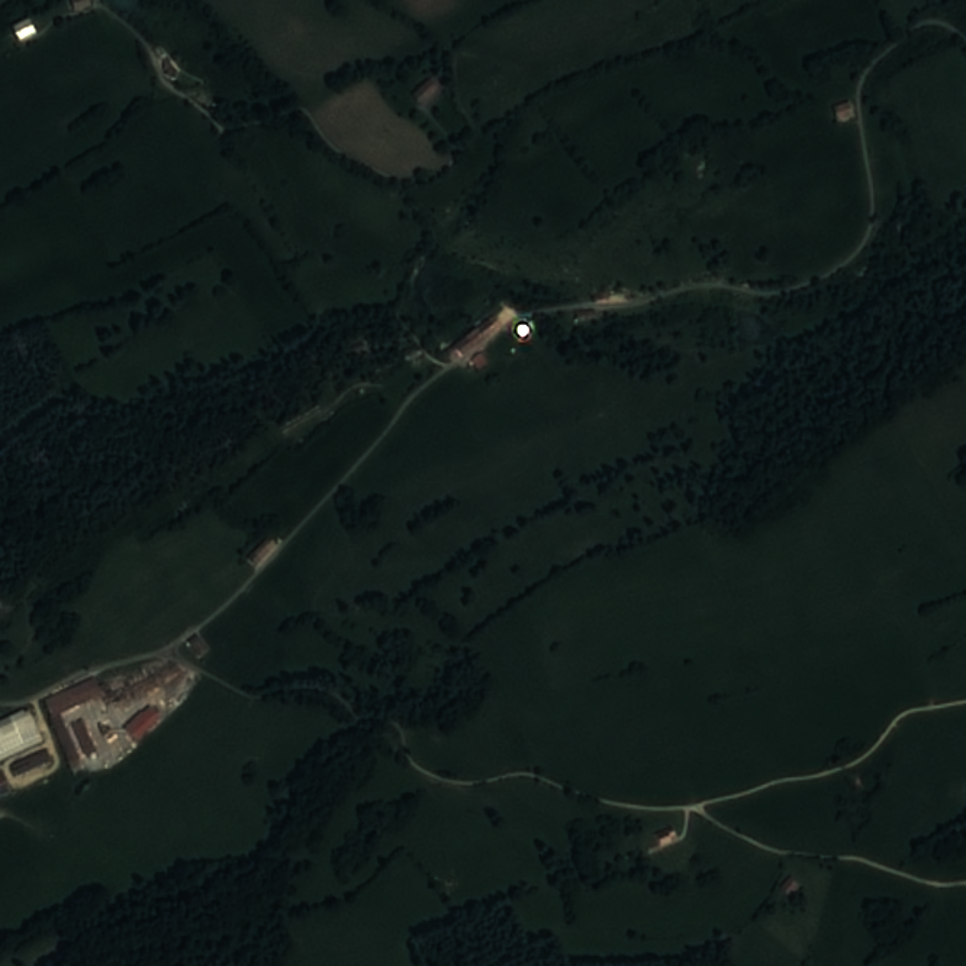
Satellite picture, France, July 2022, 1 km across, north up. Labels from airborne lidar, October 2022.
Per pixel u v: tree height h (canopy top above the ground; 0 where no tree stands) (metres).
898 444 0
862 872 0
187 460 17
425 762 0
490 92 0
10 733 0
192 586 0
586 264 0
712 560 0
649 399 0
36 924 17
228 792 0
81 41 0
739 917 0
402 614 8
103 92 0
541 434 0
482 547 17
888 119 14
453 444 0
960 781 0
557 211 0
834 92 0
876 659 0
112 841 0
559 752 0
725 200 0
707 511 15
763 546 0
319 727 0
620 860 11
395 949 0
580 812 0
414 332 12
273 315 0
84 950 24
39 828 0
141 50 6
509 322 0
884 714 0
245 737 0
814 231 0
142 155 0
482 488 0
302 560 0
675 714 0
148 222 0
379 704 21
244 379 7
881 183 0
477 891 0
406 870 0
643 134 0
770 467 24
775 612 0
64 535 17
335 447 0
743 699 0
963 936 0
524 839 0
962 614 0
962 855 18
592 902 0
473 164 0
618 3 0
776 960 0
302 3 0
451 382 0
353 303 0
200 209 0
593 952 0
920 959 0
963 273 7
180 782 0
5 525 19
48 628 12
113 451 25
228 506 8
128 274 0
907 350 25
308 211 0
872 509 0
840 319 10
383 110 0
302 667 0
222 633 0
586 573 0
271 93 10
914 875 0
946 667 0
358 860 6
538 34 0
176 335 0
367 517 21
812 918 0
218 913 23
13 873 0
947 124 0
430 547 0
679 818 0
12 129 0
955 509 0
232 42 8
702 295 0
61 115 0
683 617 0
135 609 0
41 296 0
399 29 0
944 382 13
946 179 0
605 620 0
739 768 0
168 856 0
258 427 14
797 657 0
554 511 15
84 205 0
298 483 0
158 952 21
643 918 0
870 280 18
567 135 10
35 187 14
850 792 0
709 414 0
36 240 0
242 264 0
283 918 18
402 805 14
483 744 0
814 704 0
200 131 0
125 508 19
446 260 7
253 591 0
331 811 12
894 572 0
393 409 0
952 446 0
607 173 0
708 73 0
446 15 0
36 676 0
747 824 0
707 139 11
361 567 0
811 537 0
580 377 0
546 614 0
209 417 23
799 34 0
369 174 17
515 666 0
